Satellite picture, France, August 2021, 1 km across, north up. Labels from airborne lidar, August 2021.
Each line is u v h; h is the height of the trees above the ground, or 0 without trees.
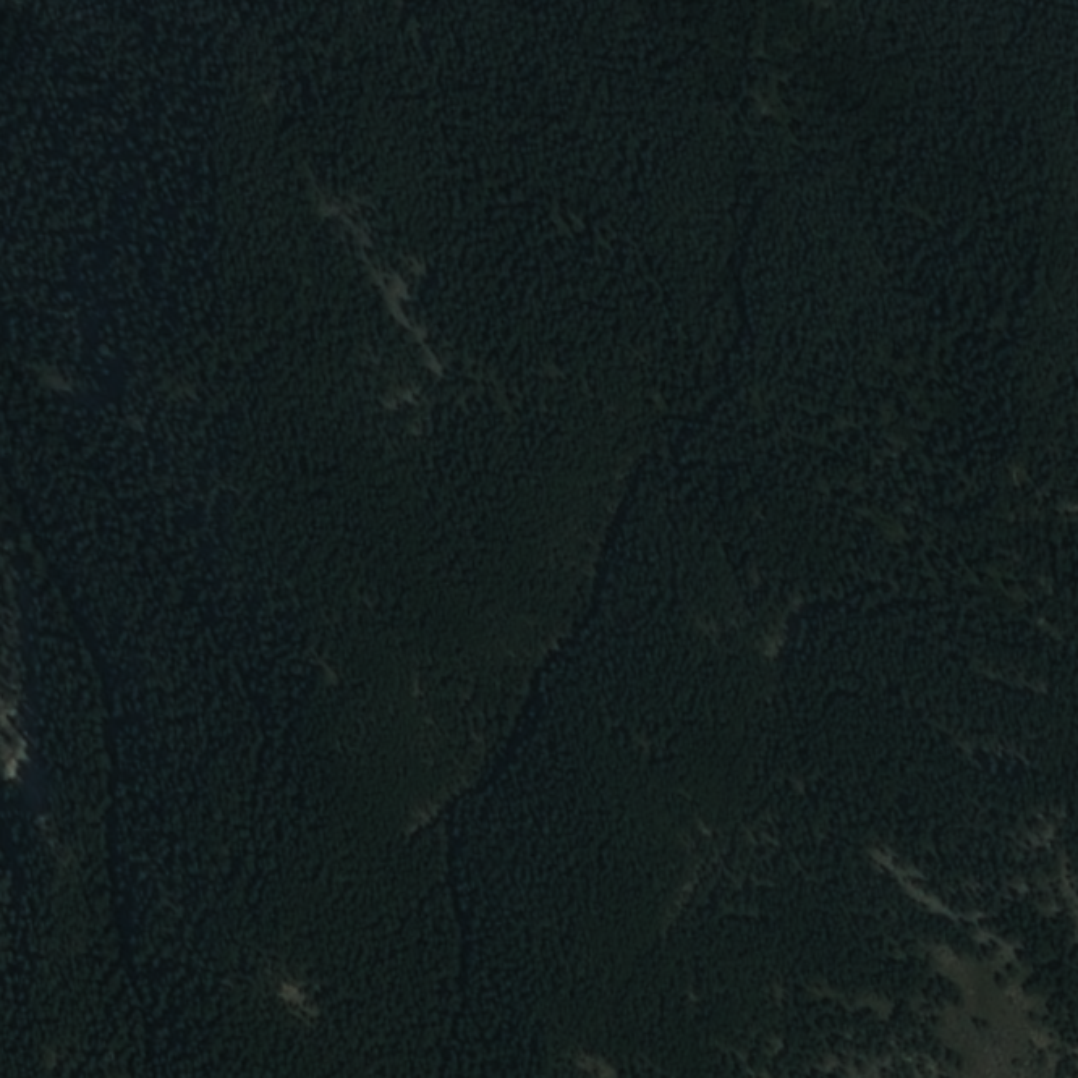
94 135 21
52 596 29
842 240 19
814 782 26
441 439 21
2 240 19
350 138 26
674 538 18
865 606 30
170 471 13
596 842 25
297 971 21
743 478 26
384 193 25
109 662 24
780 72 16
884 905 16
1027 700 21
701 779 21
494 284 25
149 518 19
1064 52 23
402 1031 22
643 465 16
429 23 29
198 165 16
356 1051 22
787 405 22
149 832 26
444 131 15
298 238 14
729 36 11
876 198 14
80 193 22
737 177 14
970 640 21
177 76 23
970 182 19
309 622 16
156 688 15
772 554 25
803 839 21
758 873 11
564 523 12
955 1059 16
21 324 19
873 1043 9
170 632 21
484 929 22
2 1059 21
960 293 28
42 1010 22
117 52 18
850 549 11
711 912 18
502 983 28
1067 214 14
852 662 24
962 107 16
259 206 17
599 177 27
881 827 26
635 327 17
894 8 25
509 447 22
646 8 13
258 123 21
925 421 26
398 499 29
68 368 30
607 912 23
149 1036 15
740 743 17
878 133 11
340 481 29
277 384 27
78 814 21
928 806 29
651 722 23
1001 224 20
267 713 18
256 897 26
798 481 22
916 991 19
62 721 10
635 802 21
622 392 20
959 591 16
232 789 18
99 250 15
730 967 22
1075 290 17
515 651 12
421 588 23
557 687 22
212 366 22
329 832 25
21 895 31
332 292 20
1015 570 19
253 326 18
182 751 24
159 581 32
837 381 27
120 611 14
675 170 35
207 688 27
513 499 23
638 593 22
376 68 23
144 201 27
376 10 17
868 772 28
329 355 16
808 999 21
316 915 15
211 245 25
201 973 23
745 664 22
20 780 0
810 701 32
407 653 17
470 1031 33
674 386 10
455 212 30
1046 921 9
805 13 13
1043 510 9
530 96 35
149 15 19
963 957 12
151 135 25
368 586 17
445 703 21
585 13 34
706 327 20
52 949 12
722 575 13
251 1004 16
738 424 29
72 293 15
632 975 15
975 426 12
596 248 21
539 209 11
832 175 25
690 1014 25
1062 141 13
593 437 21
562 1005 23
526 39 29
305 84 7
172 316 8
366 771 20
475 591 21
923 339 25
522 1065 30
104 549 32
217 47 25
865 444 18
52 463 31
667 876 17
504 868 20
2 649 22
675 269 20
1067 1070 14
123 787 29
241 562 15
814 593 14
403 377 9
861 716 33
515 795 32
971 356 16
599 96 36
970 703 25
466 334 17
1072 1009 17
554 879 27
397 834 21
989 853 10
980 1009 0
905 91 9
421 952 29
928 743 33
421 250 27
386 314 29
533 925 21
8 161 16
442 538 12
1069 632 17
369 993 22
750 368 17
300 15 36
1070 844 12
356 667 22
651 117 34
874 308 21
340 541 21
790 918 23
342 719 20
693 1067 22
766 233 27
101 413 33
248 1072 21
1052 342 18
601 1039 15
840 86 16
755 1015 15
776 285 27
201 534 8
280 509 25
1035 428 21
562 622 15
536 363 19
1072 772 24
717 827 20
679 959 26
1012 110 28
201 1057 27
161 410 9
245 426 28
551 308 28
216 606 25
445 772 16
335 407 20
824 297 30
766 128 26
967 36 22
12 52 15
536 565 17
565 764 28
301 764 33
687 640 23
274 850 19
